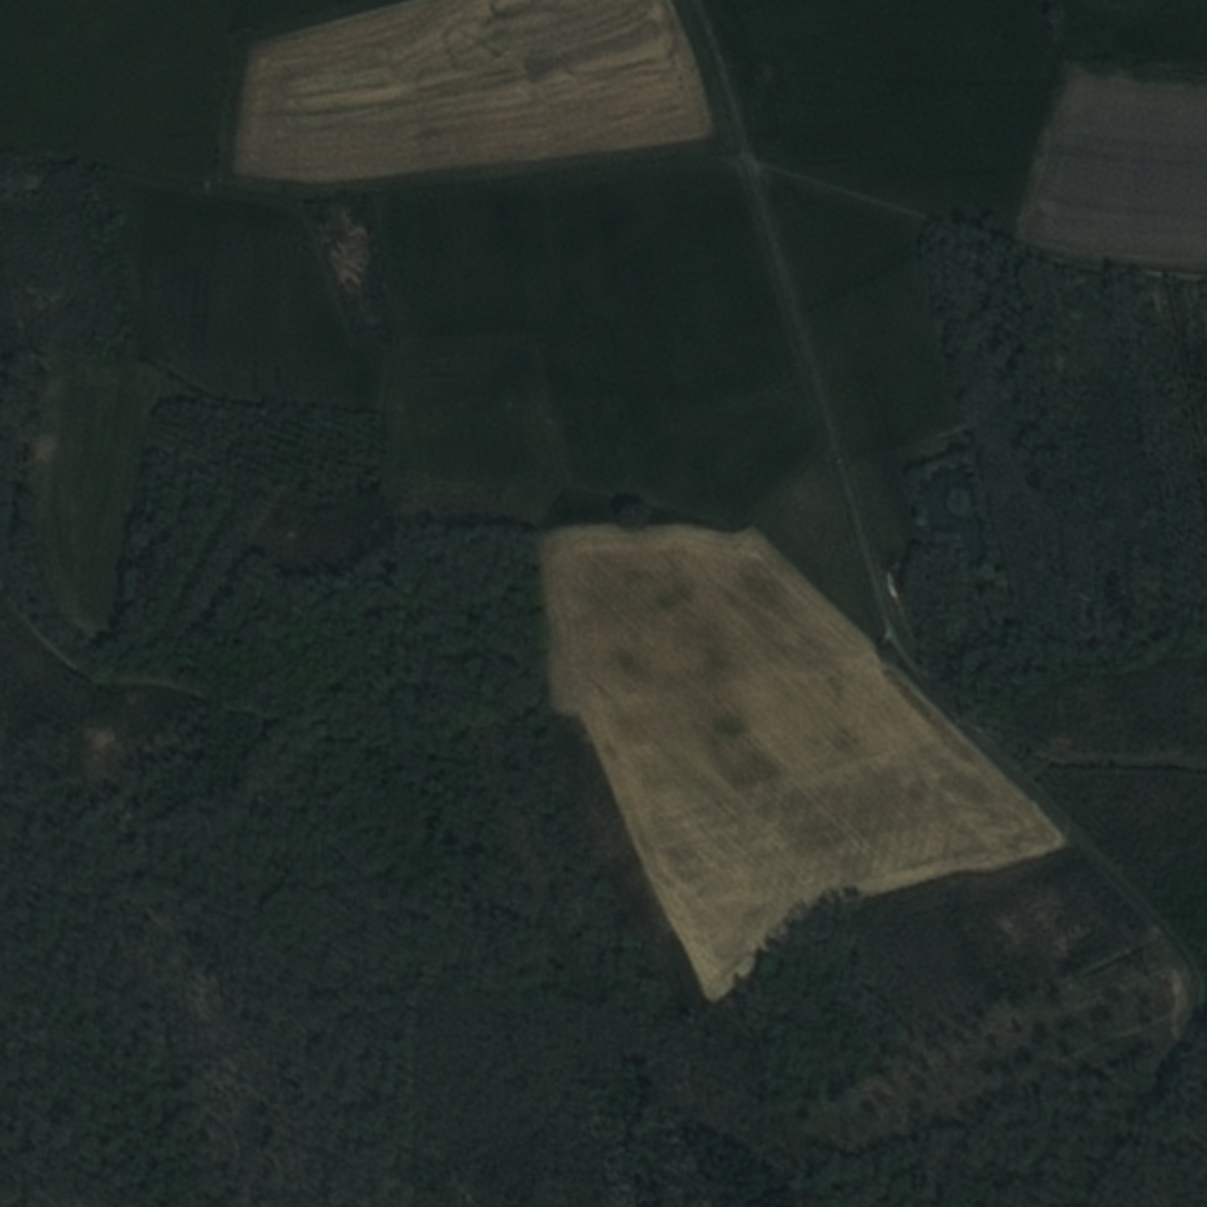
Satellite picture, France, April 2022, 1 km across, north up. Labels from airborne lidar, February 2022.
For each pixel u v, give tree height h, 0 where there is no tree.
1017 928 0
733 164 0
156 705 0
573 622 0
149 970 22
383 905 27
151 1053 28
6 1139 22
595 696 0
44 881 27
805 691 0
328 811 25
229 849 27
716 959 0
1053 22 15
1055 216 0
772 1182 27
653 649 0
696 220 0
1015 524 21
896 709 0
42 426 19
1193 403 0
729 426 0
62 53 0
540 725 22
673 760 0
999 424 21
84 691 0
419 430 0
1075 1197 28
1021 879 0
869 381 0
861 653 0
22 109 0
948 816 0
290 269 0
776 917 0
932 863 0
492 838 25
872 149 0
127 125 0
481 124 0
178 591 19
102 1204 26
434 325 0
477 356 0
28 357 20
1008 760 16
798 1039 23
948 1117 0
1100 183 0
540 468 0
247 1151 17
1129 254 0
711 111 0
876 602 0
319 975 24
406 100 0
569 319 0
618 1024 17
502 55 0
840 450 0
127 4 0
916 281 0
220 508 24
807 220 0
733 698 0
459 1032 21
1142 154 0
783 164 0
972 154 0
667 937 0
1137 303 20
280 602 23
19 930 26
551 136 0
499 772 0
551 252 0
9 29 0
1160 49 0
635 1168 23
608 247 0
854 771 0
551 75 0
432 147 0
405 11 0
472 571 30
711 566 0
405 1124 30
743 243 0
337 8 0
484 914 23
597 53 0
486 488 0
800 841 0
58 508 0
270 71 0
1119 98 0
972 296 20
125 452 0
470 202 0
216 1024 13
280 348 0
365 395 0
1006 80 0
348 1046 29
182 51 0
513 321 0
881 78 0
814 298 0
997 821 0
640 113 0
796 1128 0
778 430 0
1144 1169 28
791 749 0
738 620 0
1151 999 0
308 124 0
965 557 16
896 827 0
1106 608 22
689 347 0
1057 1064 27
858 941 25
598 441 0
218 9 0
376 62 0
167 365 0
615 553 0
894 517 0
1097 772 8
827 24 0
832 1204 22
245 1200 26
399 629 29
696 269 0
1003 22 0
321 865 24
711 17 0
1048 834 0
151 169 0
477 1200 10
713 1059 17
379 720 23
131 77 0
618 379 0
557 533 0
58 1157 24
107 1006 25
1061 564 20
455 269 0
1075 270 7
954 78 0
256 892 25
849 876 0
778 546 0
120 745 0
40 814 25
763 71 0
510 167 0
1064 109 0
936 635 21
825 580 0
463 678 30
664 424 0
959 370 15
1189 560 26
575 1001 15
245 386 0
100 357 7
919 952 0
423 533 21
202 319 0
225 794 24
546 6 0
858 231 0
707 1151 31
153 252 0
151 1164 29
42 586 22
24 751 27
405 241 0
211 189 0
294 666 24
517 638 30
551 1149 17
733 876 0
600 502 0
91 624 0
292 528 0
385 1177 26
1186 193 0
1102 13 0
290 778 17
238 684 24
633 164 0
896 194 0
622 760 0
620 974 12
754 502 0
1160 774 8
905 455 0
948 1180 22
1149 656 22
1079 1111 28
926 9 0
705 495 0
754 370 0
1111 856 12
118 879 28
